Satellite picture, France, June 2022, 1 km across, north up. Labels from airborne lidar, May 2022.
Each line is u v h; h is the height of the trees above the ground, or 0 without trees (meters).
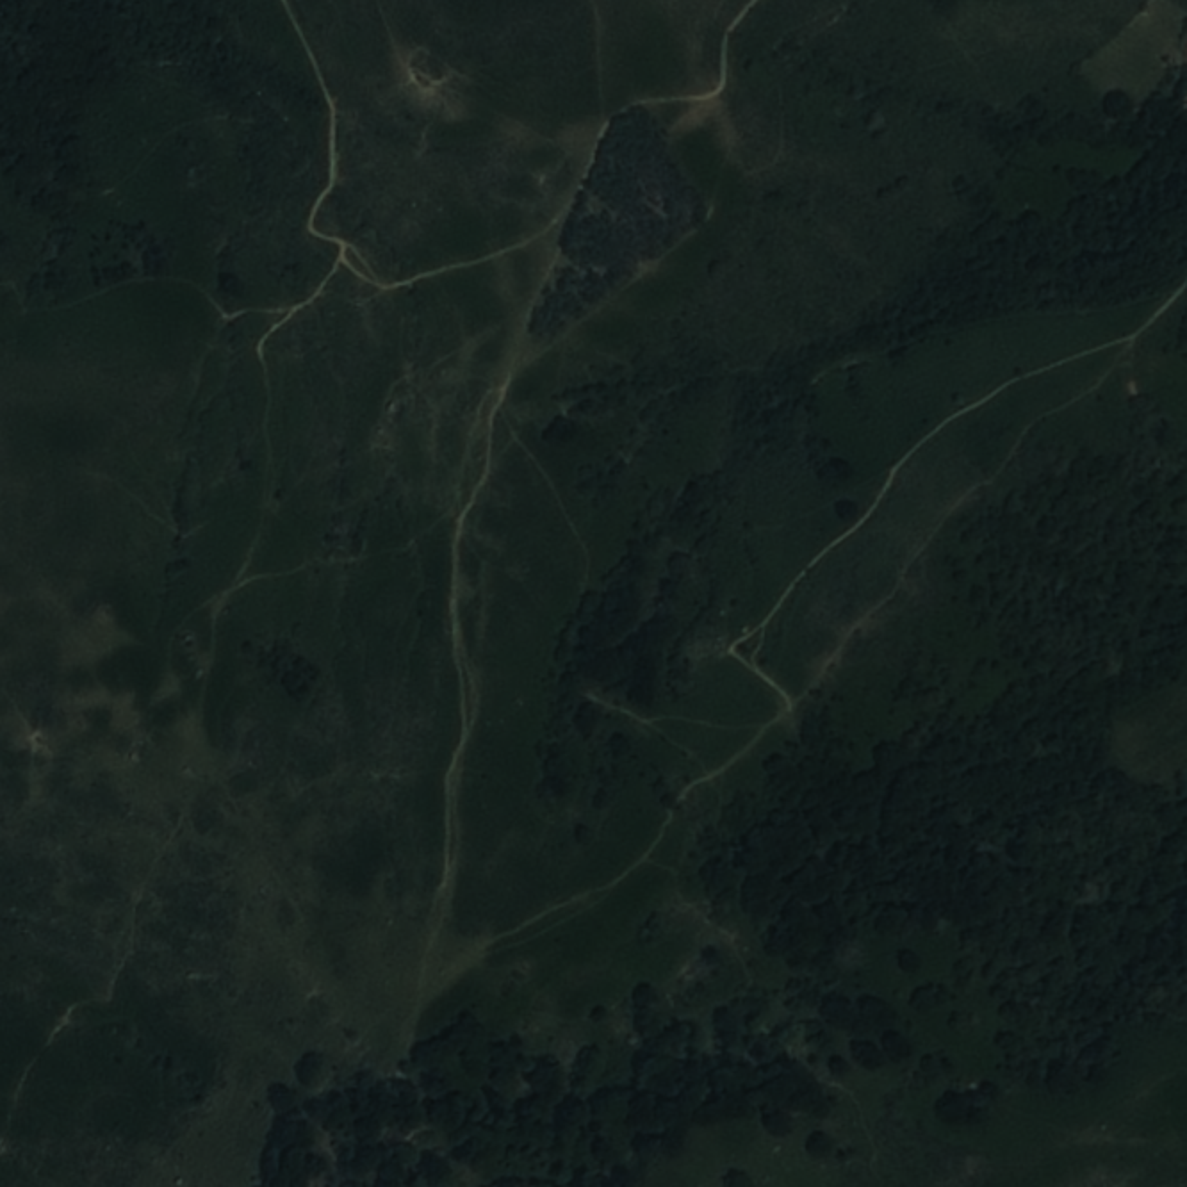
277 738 0
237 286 20
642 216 18
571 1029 0
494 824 0
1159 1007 11
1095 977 14
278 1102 17
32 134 15
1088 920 24
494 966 0
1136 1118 0
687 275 0
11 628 0
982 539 10
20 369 0
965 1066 0
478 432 0
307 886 0
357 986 0
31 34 15
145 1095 0
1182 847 16
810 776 17
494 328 0
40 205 12
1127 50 0
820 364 7
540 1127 22
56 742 0
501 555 0
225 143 0
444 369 0
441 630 0
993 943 16
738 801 8
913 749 15
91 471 0
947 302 15
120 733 0
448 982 0
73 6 8
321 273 0
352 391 0
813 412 11
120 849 0
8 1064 0
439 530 0
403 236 0
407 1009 0
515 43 0
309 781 0
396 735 0
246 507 0
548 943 0
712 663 0
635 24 0
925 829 22
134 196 0
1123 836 17
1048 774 15
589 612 12
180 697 0
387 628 0
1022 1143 0
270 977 0
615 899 0
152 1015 0
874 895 17
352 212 0
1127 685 21
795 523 0
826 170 0
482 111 0
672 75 0
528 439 0
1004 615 8
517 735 0
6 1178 0
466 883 0
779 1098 24
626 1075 0
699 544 8
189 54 11
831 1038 9
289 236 0
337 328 0
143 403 0
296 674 7
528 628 0
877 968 0
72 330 0
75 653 0
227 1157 0
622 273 11
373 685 0
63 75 15
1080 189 9
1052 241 18
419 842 0
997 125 12
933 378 0
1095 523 13
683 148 0
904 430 0
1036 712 15
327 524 0
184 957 0
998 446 0
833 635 0
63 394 0
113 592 0
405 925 0
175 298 0
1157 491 8
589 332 0
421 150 0
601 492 8
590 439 0
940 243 8
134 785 0
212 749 0
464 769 0
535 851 0
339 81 0
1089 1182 0
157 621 0
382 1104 20
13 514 0
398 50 0
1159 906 14
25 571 0
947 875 26
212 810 0
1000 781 20
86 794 0
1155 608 17
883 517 0
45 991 0
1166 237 10
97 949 0
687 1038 20
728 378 8
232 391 0
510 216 0
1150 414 12
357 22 0
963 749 23
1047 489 8
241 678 0
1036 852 15
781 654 0
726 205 0
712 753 0
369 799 0
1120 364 0
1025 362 0
